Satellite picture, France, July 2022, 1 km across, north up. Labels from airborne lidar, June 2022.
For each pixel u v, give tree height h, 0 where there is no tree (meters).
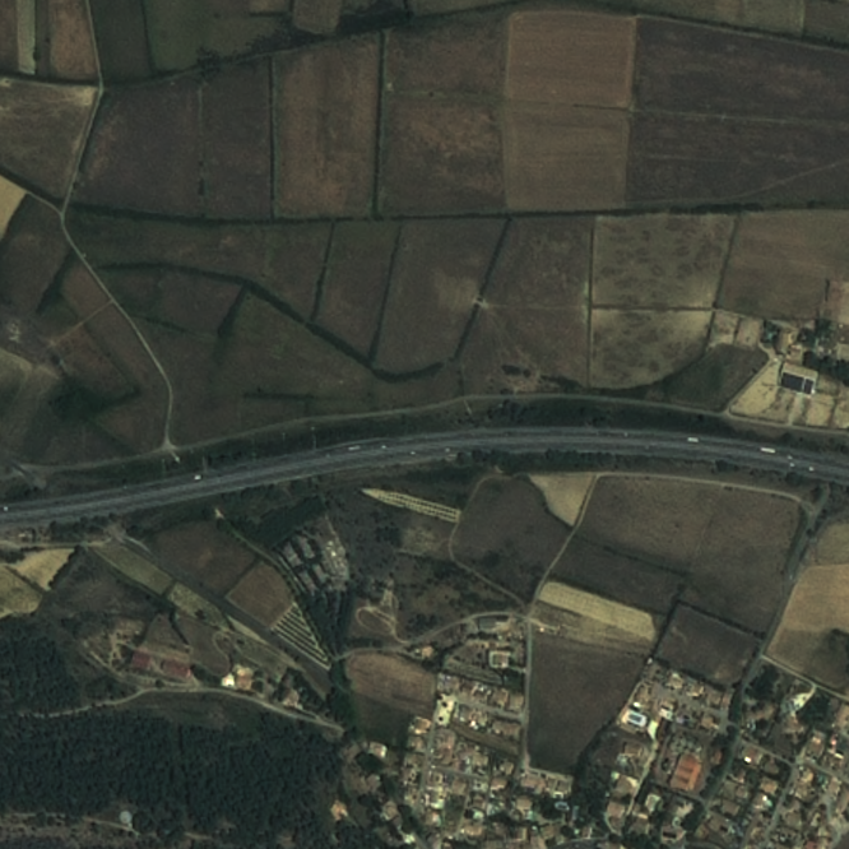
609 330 0
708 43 0
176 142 0
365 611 0
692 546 0
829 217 0
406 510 5
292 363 0
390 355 0
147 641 0
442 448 0
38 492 12
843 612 0
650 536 0
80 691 14
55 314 0
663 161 0
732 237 0
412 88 0
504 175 0
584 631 0
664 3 0
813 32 0
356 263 0
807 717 7
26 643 9
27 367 0
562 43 0
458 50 0
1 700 10
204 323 0
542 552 0
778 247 0
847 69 0
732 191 0
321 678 0
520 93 0
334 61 0
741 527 0
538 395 0
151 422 0
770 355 0
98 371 0
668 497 0
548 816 11
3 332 0
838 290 0
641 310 0
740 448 0
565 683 0
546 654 0
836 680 0
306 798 16
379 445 0
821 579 0
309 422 0
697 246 0
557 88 0
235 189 0
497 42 0
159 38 0
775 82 0
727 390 0
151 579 0
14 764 14
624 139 0
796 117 0
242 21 0
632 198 0
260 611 0
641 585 0
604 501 0
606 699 0
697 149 0
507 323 0
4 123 0
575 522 0
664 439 0
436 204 0
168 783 14
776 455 0
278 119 0
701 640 0
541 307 0
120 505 0
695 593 0
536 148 0
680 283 0
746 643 0
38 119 0
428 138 0
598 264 0
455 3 0
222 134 0
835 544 0
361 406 0
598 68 0
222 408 0
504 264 0
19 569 0
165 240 0
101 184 0
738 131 0
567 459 13
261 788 12
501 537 0
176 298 0
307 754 10
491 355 0
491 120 0
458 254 0
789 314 0
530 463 7
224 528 15
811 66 0
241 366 0
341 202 0
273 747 12
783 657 0
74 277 0
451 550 0
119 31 0
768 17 0
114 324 0
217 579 0
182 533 0
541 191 0
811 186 0
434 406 0
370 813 7
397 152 0
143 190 0
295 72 0
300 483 10
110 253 0
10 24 0
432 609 0
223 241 0
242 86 0
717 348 0
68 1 0
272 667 0
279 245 0
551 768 0
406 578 0
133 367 0
